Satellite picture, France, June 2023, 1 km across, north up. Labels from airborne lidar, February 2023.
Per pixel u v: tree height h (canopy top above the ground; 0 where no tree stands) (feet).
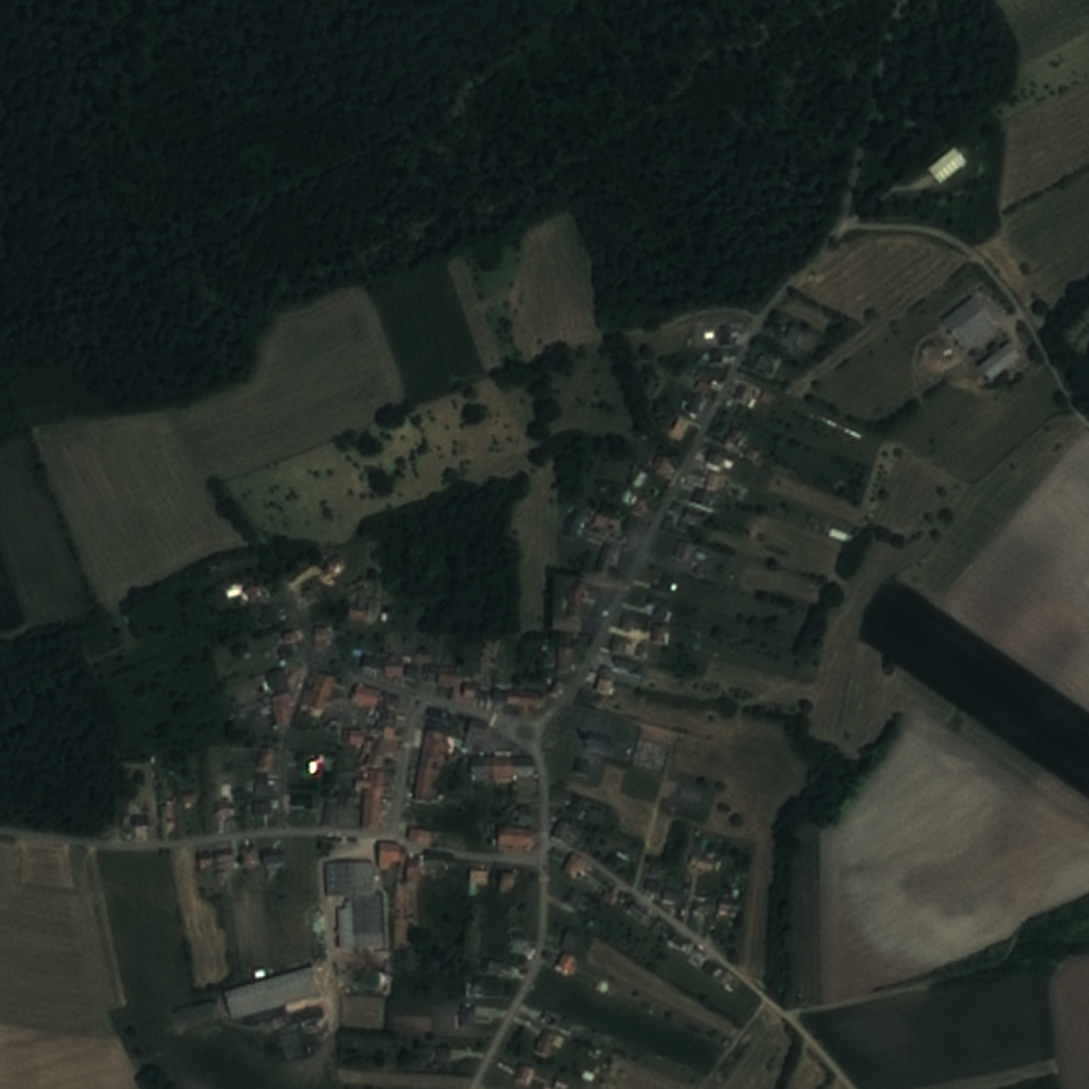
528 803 0
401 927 0
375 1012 0
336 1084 0
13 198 97
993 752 0
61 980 0
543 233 0
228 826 0
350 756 0
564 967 0
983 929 0
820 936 0
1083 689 0
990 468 0
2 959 0
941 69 73
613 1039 0
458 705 0
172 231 62
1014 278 0
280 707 0
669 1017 20
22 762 70
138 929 0
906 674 0
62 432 0
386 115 64
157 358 64
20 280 83
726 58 78
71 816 62
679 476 0
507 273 0
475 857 0
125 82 20
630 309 51
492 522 26
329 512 22
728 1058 0
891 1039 0
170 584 22
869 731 0
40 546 0
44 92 87
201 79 87
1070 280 0
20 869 0
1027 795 0
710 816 0
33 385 0
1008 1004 0
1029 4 0
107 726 40
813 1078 0
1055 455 0
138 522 0
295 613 0
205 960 0
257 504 0
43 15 93
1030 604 0
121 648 0
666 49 90
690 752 0
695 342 0
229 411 0
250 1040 0
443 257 57
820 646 30
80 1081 0
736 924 21
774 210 54
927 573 0
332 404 0
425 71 80
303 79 76
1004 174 0
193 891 0
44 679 64
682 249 81
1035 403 0
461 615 23
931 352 0
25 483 0
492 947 0
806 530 0
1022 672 0
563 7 84
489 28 68
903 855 0
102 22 75
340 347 0
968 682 0
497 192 81
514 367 44
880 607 0
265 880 0
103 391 70
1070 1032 0
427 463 0
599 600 0
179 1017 0
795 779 0
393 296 0
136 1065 0
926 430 0
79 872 0
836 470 0
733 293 71
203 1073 0
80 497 0
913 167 61
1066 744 0
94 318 69
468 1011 0
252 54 68
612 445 55
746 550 0
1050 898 0
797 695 0
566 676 0
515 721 0
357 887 0
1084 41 0
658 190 68
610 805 0
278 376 0
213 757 0
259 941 0
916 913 0
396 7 74
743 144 69
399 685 0
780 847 31
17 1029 0
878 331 0
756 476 0
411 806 0
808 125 45
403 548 22
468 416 43
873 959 0
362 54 79
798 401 0
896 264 0
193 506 0
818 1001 0
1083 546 0
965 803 0
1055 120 0
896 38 58
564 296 0
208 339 67
